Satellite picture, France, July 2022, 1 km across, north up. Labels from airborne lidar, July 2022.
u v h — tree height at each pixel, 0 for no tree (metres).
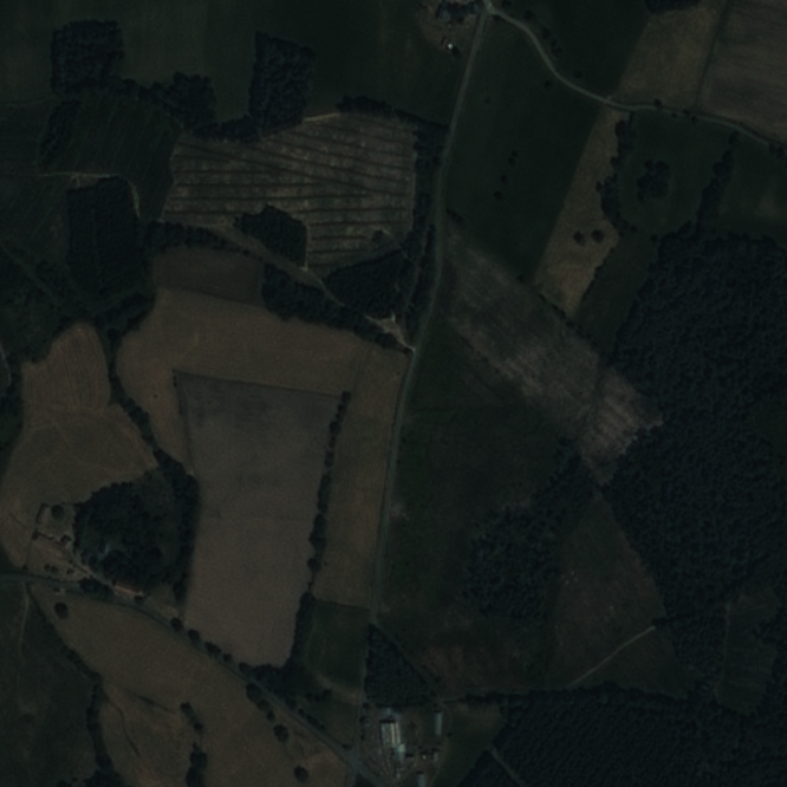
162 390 0
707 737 22
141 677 0
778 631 19
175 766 0
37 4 0
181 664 0
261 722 0
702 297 31
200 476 0
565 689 0
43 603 0
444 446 0
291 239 11
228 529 0
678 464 23
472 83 0
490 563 18
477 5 12
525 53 0
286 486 0
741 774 19
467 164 0
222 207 0
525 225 0
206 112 16
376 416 0
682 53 0
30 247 0
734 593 26
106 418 0
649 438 19
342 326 13
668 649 0
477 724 0
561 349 0
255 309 0
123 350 0
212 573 0
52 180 0
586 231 0
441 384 0
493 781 19
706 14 0
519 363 0
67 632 0
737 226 0
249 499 0
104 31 30
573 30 0
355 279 10
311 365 0
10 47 0
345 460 0
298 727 0
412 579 0
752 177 0
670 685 0
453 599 0
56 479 0
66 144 7
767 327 23
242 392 0
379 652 24
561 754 20
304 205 0
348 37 0
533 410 0
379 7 0
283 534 0
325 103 0
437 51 0
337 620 0
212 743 0
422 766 0
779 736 22
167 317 0
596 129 0
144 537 21
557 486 21
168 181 0
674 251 21
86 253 10
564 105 0
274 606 0
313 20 0
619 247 0
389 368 0
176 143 0
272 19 0
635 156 0
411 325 14
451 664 0
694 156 0
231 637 0
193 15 0
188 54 0
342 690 0
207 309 0
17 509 0
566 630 0
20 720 0
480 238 0
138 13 0
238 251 7
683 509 15
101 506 25
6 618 0
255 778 0
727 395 18
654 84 0
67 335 0
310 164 0
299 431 0
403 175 0
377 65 0
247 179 0
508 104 0
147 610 0
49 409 0
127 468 0
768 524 27
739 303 31
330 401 0
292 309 19
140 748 0
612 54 0
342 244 0
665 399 12
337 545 0
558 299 0
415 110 0
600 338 0
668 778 21
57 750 0
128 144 0
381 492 0
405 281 17
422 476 0
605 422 0
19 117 0
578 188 0
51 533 0
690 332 20
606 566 0
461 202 0
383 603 0
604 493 13
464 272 0
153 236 19
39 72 0
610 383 0
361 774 0
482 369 0
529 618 19
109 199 10
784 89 0
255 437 0
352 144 0
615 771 19
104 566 13
